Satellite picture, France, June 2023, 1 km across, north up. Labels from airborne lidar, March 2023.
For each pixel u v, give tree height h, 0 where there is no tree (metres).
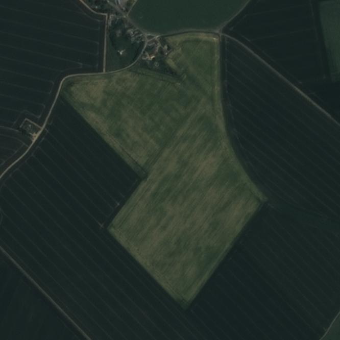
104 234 0
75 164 0
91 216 0
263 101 0
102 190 0
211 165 0
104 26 0
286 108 0
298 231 0
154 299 0
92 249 0
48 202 0
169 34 0
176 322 0
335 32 0
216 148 0
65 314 0
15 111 0
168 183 0
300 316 0
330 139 0
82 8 0
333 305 0
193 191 0
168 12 0
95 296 0
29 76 0
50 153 0
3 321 0
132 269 0
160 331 0
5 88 0
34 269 0
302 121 0
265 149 0
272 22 0
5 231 0
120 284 0
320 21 0
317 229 0
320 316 0
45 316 0
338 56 0
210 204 0
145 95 0
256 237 0
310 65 0
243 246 0
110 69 0
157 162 0
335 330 0
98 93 0
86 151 0
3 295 0
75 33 0
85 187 0
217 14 0
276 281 0
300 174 0
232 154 0
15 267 0
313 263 0
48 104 0
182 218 0
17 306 0
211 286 0
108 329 0
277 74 0
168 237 0
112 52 0
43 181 0
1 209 0
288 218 0
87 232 0
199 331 0
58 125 0
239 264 0
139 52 9
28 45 0
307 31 0
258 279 0
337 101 0
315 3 0
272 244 0
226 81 0
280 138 0
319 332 0
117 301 0
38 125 0
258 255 0
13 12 0
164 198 0
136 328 0
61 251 0
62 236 0
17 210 0
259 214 0
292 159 0
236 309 0
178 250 0
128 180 0
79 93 0
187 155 0
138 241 0
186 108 0
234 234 0
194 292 0
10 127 0
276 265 0
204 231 0
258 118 0
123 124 0
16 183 0
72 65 0
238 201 0
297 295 0
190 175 0
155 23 0
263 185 0
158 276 0
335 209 0
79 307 0
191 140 0
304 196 0
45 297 0
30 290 0
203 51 0
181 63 0
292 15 0
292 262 0
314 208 0
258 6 0
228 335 0
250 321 0
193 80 0
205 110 0
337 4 0
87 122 0
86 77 0
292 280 0
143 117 0
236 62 0
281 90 0
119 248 0
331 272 0
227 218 0
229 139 0
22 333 0
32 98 0
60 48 0
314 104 0
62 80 0
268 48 0
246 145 0
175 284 0
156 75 0
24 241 0
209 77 0
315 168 0
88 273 0
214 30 0
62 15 0
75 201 0
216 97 0
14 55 0
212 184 0
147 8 0
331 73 0
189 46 0
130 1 0
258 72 0
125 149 0
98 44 0
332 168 0
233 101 0
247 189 0
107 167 0
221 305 0
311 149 0
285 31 0
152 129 0
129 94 0
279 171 0
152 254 0
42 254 0
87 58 0
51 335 0
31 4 0
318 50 0
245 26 0
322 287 0
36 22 0
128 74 0
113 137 0
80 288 0
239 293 0
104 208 0
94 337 0
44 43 0
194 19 0
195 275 0
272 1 0
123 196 0
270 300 0
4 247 0
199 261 0
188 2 0
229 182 0
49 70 0
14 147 0
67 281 0
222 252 0
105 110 0
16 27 0
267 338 0
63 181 0
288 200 0
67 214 0
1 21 0
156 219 0
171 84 0
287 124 0
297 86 0
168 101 0
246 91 0
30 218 0
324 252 0
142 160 0
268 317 0
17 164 0
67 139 0
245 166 0
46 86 0
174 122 0
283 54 0
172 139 0
